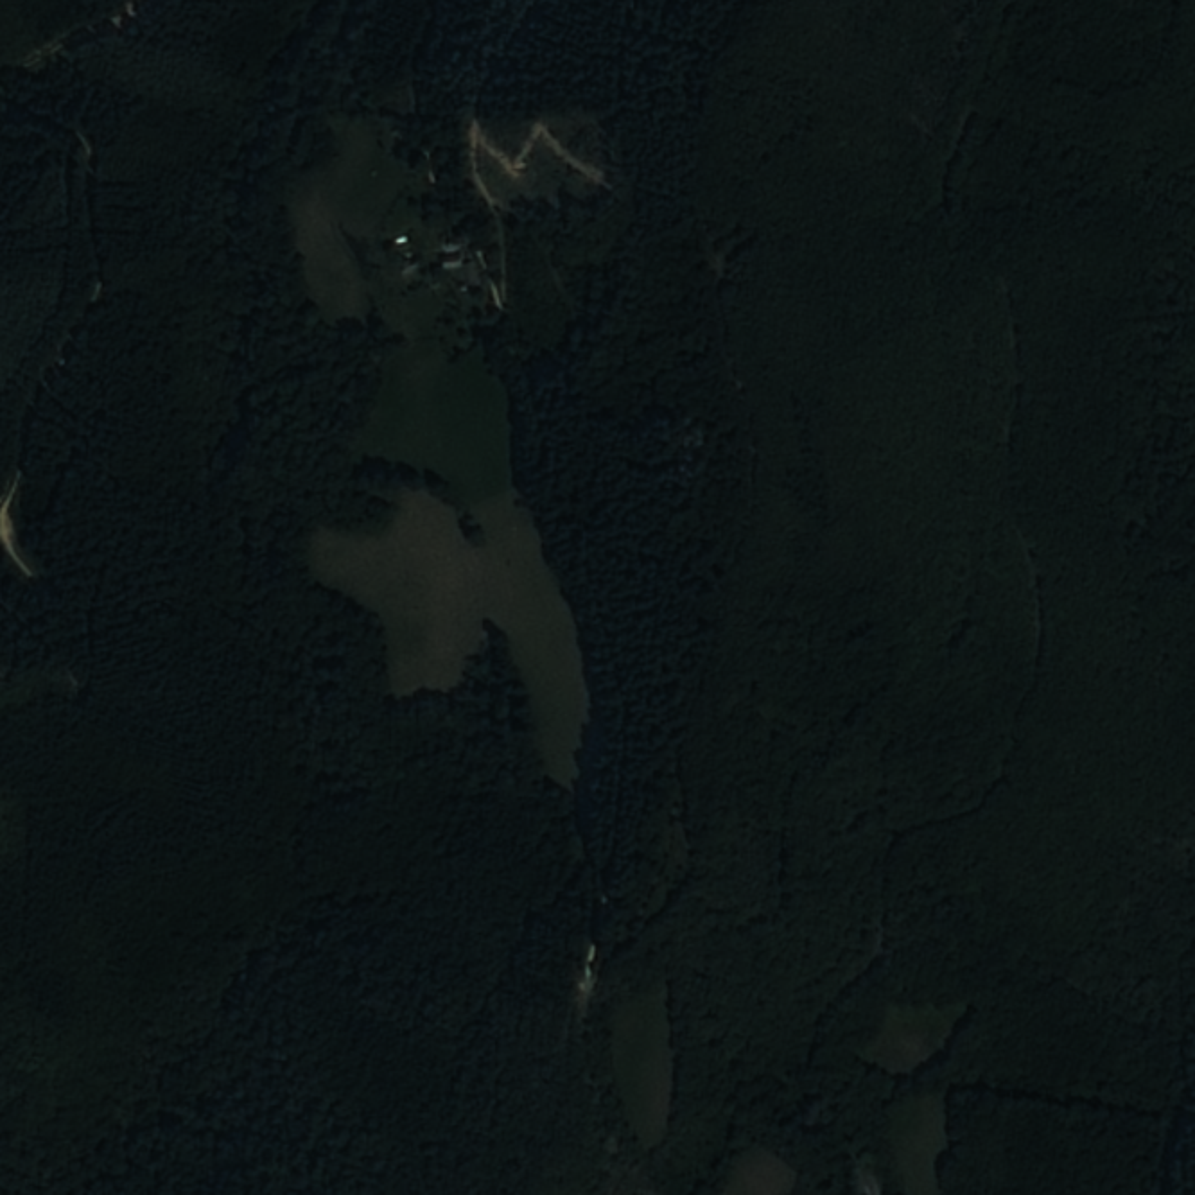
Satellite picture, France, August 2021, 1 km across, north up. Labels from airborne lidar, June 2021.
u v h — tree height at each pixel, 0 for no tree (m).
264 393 32
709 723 16
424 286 7
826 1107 19
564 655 0
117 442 30
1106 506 25
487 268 12
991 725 25
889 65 12
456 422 0
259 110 30
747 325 17
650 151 28
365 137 0
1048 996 20
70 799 19
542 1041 13
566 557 36
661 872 8
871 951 13
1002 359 16
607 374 16
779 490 13
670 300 12
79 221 28
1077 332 27
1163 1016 19
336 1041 21
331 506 21
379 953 27
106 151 22
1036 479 24
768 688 22
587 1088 13
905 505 10
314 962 20
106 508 32
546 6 27
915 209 25
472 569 0
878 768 22
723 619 12
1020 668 21
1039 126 25
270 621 23
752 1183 0
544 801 17
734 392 8
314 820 26
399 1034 22
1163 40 14
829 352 17
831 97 10
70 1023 18
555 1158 15
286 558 30
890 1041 0
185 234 19
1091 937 14
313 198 0
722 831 21
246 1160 23
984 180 20
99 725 25
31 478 31
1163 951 17
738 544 8
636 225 20
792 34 11
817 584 18
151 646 25
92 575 30
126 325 21
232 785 29
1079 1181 25
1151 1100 24
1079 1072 26
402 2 21
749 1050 23
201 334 21
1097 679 15
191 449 26
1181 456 25
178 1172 23
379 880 22
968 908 31
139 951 15
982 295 20
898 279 25
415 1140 20
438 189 11
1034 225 29
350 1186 19
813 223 22
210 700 19
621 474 32
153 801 14
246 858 17
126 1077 15
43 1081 16
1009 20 22
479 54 17
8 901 16
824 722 15
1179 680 18
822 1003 22
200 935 14
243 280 23
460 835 23
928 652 23
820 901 16
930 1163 0
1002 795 21
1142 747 19
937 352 14
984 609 17
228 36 11
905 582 14
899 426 14
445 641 0
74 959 20
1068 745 21
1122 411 23
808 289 21
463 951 20
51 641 19
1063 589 17
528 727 22
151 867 16
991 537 20
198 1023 24
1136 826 14
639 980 18
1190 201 21
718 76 14
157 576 32
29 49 10
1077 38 15
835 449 13
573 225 21
